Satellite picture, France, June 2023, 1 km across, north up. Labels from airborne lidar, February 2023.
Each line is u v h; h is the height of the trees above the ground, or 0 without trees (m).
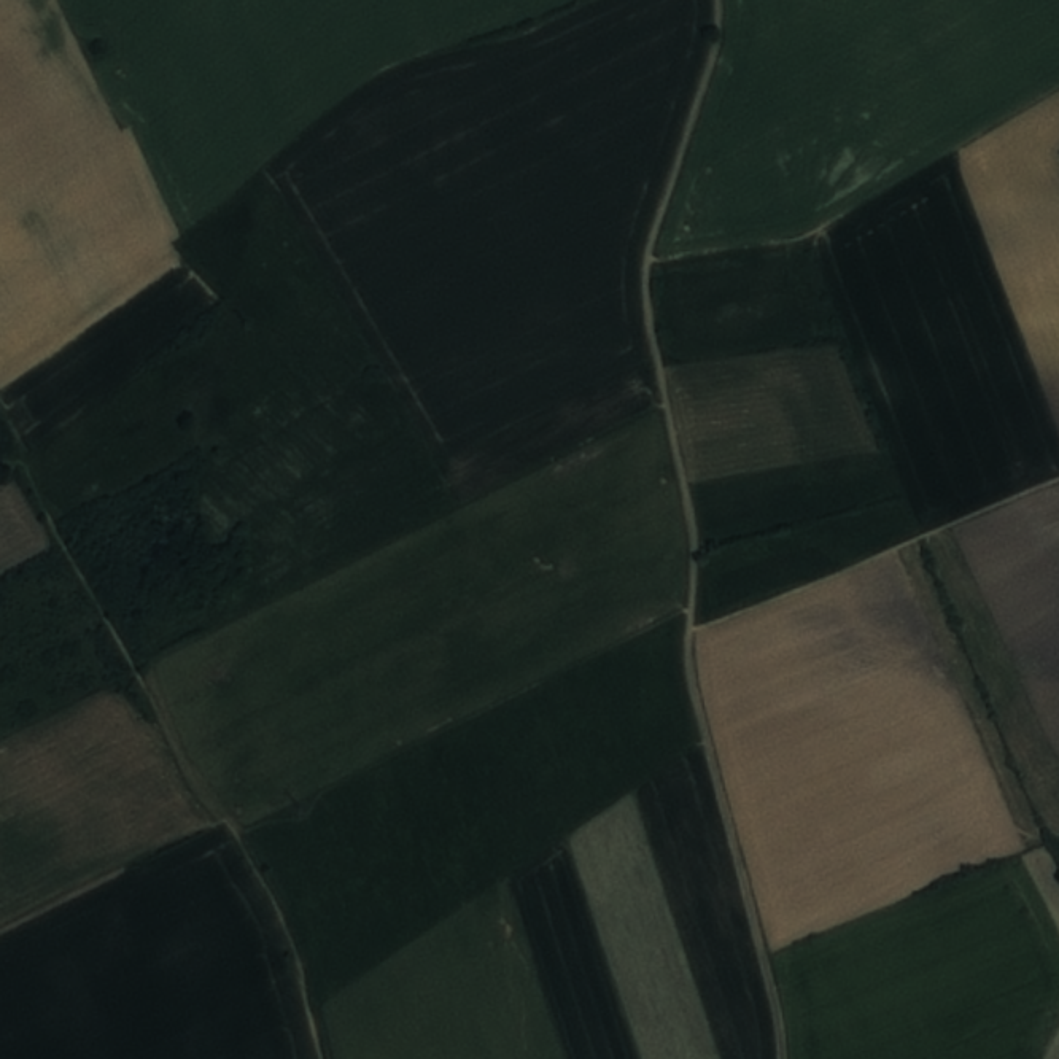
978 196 0
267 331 0
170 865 0
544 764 0
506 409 0
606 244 0
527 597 0
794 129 0
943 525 0
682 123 0
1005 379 0
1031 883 0
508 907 0
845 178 0
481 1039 0
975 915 0
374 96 0
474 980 0
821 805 0
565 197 0
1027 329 0
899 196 0
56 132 0
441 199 0
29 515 0
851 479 0
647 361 0
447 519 0
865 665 0
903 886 0
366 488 0
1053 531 0
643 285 0
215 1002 0
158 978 0
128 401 0
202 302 0
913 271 0
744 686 0
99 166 0
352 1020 0
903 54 0
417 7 0
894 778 0
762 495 0
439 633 0
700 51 0
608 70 0
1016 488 0
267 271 0
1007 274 0
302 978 0
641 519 0
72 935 0
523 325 0
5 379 0
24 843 0
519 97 0
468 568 0
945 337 0
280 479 0
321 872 0
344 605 0
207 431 0
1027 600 0
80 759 0
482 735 0
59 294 0
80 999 0
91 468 0
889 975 0
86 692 0
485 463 0
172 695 0
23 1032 0
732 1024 0
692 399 0
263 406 0
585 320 0
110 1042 0
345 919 0
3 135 0
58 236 0
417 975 0
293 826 0
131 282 0
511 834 0
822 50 0
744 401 0
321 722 0
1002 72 0
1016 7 0
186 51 0
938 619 0
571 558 0
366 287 0
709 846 0
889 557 0
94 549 7
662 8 0
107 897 0
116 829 0
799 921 0
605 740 0
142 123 0
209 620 0
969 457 0
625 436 0
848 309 0
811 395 0
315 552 0
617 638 0
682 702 0
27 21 0
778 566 0
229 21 0
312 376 0
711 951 0
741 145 0
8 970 0
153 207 0
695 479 0
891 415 0
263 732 0
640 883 0
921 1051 0
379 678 0
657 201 0
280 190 0
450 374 0
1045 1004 0
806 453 0
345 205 0
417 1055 0
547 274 0
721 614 0
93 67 0
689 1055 0
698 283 0
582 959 0
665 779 0
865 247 0
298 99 0
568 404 0
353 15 0
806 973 0
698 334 0
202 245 0
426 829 0
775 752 0
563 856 0
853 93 0
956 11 0
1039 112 0
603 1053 0
